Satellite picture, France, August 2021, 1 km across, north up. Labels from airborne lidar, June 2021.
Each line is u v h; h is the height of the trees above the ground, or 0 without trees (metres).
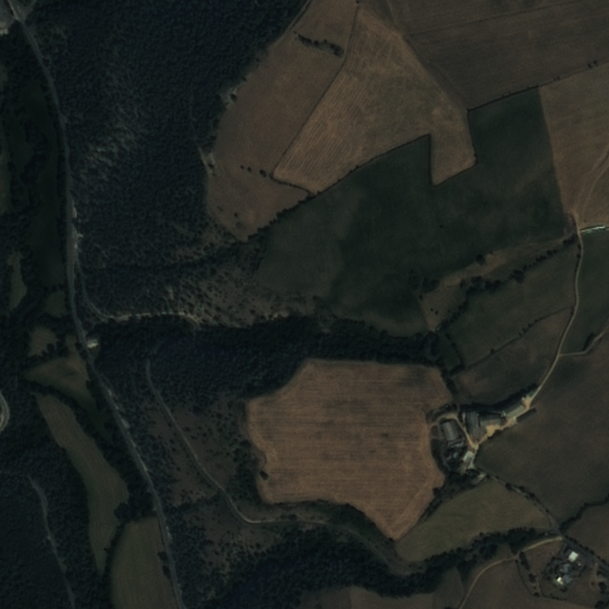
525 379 0
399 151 0
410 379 0
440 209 0
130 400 12
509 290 0
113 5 20
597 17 0
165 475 10
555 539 0
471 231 0
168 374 12
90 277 16
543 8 0
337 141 0
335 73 0
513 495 0
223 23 22
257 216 0
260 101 0
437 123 0
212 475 0
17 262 0
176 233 11
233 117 0
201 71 17
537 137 0
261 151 0
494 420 0
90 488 0
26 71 22
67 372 0
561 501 0
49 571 12
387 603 0
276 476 0
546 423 0
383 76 0
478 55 0
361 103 0
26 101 0
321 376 0
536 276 0
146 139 14
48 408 0
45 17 12
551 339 0
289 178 0
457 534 0
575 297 0
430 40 0
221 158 0
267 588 25
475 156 7
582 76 0
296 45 0
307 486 0
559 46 0
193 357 17
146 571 0
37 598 16
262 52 0
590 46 0
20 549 16
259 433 0
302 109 0
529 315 0
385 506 0
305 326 24
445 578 0
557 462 0
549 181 0
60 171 9
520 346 0
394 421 0
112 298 16
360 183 0
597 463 0
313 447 0
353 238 0
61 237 13
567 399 0
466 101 0
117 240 15
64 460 16
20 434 18
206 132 16
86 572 9
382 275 0
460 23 0
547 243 0
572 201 0
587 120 0
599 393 0
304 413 0
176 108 12
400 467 0
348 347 16
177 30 17
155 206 16
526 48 0
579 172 0
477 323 0
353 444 0
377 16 0
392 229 0
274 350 9
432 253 0
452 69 0
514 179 0
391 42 0
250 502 7
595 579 0
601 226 0
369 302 0
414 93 0
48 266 0
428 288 9
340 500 0
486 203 0
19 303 0
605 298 0
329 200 0
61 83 22
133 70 17
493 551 14
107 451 26
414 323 0
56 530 16
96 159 8
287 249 0
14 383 10
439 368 9
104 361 21
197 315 10
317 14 0
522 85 0
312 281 0
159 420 0
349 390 0
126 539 0
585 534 0
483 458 0
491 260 0
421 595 0
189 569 9
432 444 0
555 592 0
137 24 16
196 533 9
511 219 0
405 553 0
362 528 7
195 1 19
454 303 0
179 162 20
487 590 0
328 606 0
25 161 0
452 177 0
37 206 20
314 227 0
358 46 0
